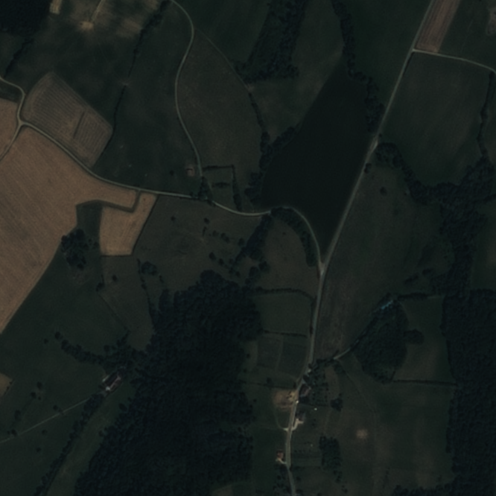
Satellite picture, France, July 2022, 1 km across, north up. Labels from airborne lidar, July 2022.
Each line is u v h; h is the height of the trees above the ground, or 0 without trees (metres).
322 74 0
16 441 0
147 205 0
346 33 17
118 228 0
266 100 0
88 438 0
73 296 0
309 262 6
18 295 0
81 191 0
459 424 19
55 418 0
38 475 0
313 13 0
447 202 21
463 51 0
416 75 0
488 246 0
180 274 0
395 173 0
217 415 16
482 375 24
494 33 0
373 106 15
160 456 29
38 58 0
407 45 0
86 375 0
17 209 0
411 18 0
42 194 0
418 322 0
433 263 0
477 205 9
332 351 0
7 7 23
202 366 26
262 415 0
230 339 14
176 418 29
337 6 19
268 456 0
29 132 0
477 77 0
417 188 17
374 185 0
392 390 0
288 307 0
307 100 0
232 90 0
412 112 0
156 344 18
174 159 0
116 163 0
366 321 0
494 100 0
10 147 0
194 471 26
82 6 0
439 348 0
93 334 0
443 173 0
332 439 8
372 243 0
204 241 0
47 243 0
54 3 0
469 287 20
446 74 0
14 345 0
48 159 0
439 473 0
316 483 0
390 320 15
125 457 23
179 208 0
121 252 0
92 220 0
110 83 0
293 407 0
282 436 0
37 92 0
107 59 0
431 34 0
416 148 0
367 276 0
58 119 0
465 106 0
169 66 0
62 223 0
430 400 0
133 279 0
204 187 12
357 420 0
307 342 0
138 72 0
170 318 21
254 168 0
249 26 0
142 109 0
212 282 22
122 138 0
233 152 0
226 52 0
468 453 13
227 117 0
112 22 0
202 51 0
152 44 0
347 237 0
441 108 0
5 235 0
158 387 27
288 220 9
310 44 0
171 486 24
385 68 0
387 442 0
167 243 0
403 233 0
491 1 0
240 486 0
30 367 0
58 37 0
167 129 0
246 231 0
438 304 0
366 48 0
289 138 18
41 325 0
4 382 0
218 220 0
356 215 0
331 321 0
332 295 0
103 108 0
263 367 0
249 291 17
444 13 0
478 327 23
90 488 14
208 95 0
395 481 0
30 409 0
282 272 0
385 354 12
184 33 0
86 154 0
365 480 0
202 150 0
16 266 0
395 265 0
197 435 30
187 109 0
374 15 0
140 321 0
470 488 18
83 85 0
